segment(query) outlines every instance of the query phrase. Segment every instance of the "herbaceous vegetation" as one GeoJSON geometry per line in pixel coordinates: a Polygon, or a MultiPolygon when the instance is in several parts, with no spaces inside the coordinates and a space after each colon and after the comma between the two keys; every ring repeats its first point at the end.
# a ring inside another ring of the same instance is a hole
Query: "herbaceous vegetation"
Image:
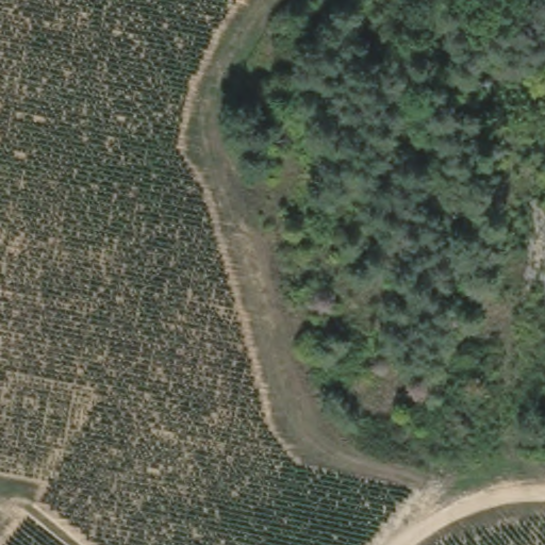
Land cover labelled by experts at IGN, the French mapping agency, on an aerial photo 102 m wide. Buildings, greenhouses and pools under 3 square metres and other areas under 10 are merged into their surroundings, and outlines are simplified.
{"type": "Polygon", "coordinates": [[[419,468],[387,464],[364,456],[362,451],[358,451],[356,445],[347,441],[347,434],[338,432],[319,413],[321,392],[313,385],[311,366],[302,364],[296,358],[298,347],[294,345],[294,334],[304,321],[304,311],[292,311],[290,300],[285,300],[277,292],[277,283],[273,283],[268,277],[270,251],[277,249],[277,243],[283,243],[287,230],[296,232],[302,228],[304,219],[313,219],[315,209],[315,196],[309,192],[309,185],[285,185],[283,181],[279,183],[277,179],[268,179],[268,166],[251,164],[238,158],[228,143],[224,143],[219,121],[224,121],[226,109],[230,104],[243,102],[245,98],[260,98],[262,85],[266,81],[277,77],[292,77],[292,64],[287,60],[296,51],[317,53],[321,28],[332,21],[332,15],[349,19],[364,0],[230,0],[224,19],[211,34],[198,70],[189,77],[183,115],[179,123],[177,149],[185,166],[189,168],[194,181],[198,181],[202,187],[202,200],[211,215],[213,236],[221,253],[224,270],[228,275],[228,285],[234,298],[234,311],[238,315],[241,332],[251,362],[253,383],[260,392],[264,422],[294,464],[300,464],[309,470],[321,470],[332,475],[345,470],[364,481],[404,485],[411,494],[415,490],[426,490],[432,479],[419,468]]]}
{"type": "Polygon", "coordinates": [[[519,481],[530,485],[545,483],[545,464],[532,464],[519,481]]]}
{"type": "Polygon", "coordinates": [[[6,541],[17,532],[17,528],[26,519],[34,522],[62,545],[96,545],[85,539],[85,534],[79,528],[70,526],[68,519],[60,517],[49,505],[32,500],[36,490],[34,483],[0,479],[0,545],[6,545],[6,541]]]}

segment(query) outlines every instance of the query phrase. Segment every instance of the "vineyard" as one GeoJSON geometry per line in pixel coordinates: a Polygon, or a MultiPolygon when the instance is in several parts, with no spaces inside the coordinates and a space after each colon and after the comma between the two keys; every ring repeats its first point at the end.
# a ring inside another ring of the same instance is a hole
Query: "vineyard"
{"type": "Polygon", "coordinates": [[[309,470],[300,464],[294,464],[264,422],[260,392],[253,383],[251,362],[241,332],[238,315],[234,311],[234,298],[228,285],[228,275],[224,270],[221,253],[213,236],[211,215],[202,200],[202,187],[198,181],[194,181],[189,168],[185,166],[177,149],[179,123],[183,115],[189,77],[198,70],[211,34],[224,19],[230,0],[0,0],[0,479],[34,483],[36,490],[32,500],[49,505],[60,517],[68,519],[70,526],[79,528],[85,534],[85,539],[96,545],[366,545],[375,539],[381,524],[385,524],[394,515],[396,507],[411,494],[404,485],[364,481],[345,470],[332,475],[321,470],[309,470]]]}
{"type": "Polygon", "coordinates": [[[34,522],[26,519],[17,528],[17,532],[6,541],[6,545],[62,545],[34,522]]]}
{"type": "Polygon", "coordinates": [[[419,545],[545,545],[545,502],[511,502],[477,511],[436,530],[419,545]]]}

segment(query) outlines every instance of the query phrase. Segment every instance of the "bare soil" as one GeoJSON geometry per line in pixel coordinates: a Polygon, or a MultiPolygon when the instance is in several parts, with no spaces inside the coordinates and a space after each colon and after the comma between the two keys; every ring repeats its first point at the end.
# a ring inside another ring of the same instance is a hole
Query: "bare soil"
{"type": "Polygon", "coordinates": [[[545,260],[545,209],[539,204],[539,200],[532,200],[530,211],[534,224],[534,238],[528,241],[528,255],[534,260],[545,260]]]}

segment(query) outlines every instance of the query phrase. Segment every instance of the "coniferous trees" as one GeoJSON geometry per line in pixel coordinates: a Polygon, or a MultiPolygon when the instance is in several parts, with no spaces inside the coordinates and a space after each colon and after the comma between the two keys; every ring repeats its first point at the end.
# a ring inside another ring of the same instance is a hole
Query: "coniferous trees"
{"type": "Polygon", "coordinates": [[[224,143],[228,143],[238,158],[251,164],[268,166],[268,179],[277,179],[279,183],[283,181],[285,185],[309,185],[309,192],[315,196],[315,209],[336,213],[338,209],[343,209],[343,217],[347,221],[360,221],[362,234],[375,236],[385,253],[394,253],[392,275],[396,277],[396,281],[390,290],[373,294],[368,302],[396,304],[396,309],[400,311],[394,321],[385,321],[381,326],[381,330],[404,345],[404,364],[441,368],[443,358],[436,343],[441,336],[447,336],[447,328],[436,326],[434,319],[443,317],[447,311],[456,311],[464,315],[466,321],[481,319],[485,311],[481,302],[468,298],[458,287],[462,283],[470,283],[477,279],[496,279],[498,266],[505,266],[502,241],[507,230],[498,226],[500,219],[507,215],[505,202],[509,198],[509,175],[507,170],[494,170],[494,149],[500,141],[500,136],[496,136],[496,130],[507,126],[509,117],[502,102],[498,100],[500,81],[490,72],[498,64],[507,62],[509,68],[528,68],[530,72],[545,72],[545,0],[524,0],[528,4],[524,13],[526,21],[519,30],[515,28],[509,32],[509,36],[500,38],[500,47],[507,47],[507,55],[492,53],[479,57],[470,66],[468,77],[462,77],[458,72],[447,75],[451,57],[445,51],[445,36],[428,28],[415,30],[407,26],[407,9],[415,0],[364,0],[349,19],[332,15],[332,21],[321,28],[317,53],[296,51],[287,60],[292,64],[292,77],[277,77],[266,81],[262,85],[260,98],[245,98],[243,102],[230,104],[226,109],[224,121],[219,121],[224,143]]]}

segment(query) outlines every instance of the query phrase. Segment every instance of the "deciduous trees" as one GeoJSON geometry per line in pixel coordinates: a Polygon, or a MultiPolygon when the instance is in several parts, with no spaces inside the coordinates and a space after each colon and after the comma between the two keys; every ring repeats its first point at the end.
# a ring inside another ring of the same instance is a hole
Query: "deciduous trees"
{"type": "Polygon", "coordinates": [[[524,0],[415,0],[407,9],[407,26],[415,30],[428,28],[445,36],[445,51],[451,57],[447,75],[458,72],[462,77],[468,77],[470,66],[479,57],[492,53],[507,55],[507,47],[500,47],[500,38],[509,36],[509,32],[515,28],[519,30],[526,21],[524,13],[528,4],[524,0]]]}

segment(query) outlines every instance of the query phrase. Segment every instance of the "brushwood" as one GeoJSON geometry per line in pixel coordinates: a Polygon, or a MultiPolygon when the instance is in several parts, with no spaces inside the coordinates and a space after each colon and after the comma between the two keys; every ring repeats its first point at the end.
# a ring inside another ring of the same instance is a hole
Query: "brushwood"
{"type": "Polygon", "coordinates": [[[505,266],[498,266],[496,279],[477,279],[470,283],[462,283],[458,287],[468,298],[481,302],[485,311],[481,319],[466,321],[464,315],[456,311],[447,311],[443,317],[434,319],[436,326],[447,328],[447,336],[441,336],[436,343],[443,358],[441,368],[404,364],[404,345],[381,330],[381,326],[385,321],[394,321],[400,311],[396,309],[396,304],[368,302],[373,294],[390,290],[396,281],[396,277],[392,275],[394,253],[385,253],[375,236],[362,234],[360,221],[347,221],[343,217],[343,209],[338,209],[336,213],[315,209],[313,219],[304,219],[302,228],[296,232],[287,230],[283,243],[277,243],[277,249],[270,251],[268,277],[273,283],[277,283],[277,292],[285,300],[290,300],[292,311],[304,311],[304,321],[294,334],[294,345],[298,347],[296,358],[302,364],[311,366],[313,385],[321,392],[319,413],[338,432],[347,434],[347,441],[356,445],[358,451],[362,451],[364,456],[387,464],[419,468],[432,479],[439,479],[441,490],[447,490],[453,500],[458,496],[483,490],[500,481],[519,481],[532,464],[545,464],[545,260],[534,260],[528,255],[528,241],[534,238],[534,224],[530,211],[532,200],[539,200],[539,204],[545,209],[545,72],[530,72],[528,68],[509,68],[507,62],[498,64],[490,72],[500,81],[498,100],[502,102],[509,117],[507,126],[496,130],[496,136],[500,136],[500,141],[494,149],[494,170],[507,170],[509,175],[509,198],[505,202],[507,215],[500,219],[498,226],[507,230],[502,241],[505,266]]]}

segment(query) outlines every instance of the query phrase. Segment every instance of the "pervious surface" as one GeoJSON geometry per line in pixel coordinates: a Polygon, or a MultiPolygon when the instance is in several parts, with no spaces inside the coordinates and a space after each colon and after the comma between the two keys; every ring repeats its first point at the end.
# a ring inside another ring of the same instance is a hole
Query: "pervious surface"
{"type": "Polygon", "coordinates": [[[439,479],[432,479],[426,490],[415,490],[411,494],[396,507],[394,515],[385,524],[381,524],[375,539],[366,545],[419,545],[436,530],[477,511],[511,502],[545,502],[545,483],[530,485],[519,481],[500,481],[483,490],[458,496],[453,500],[447,490],[441,490],[439,479]]]}

